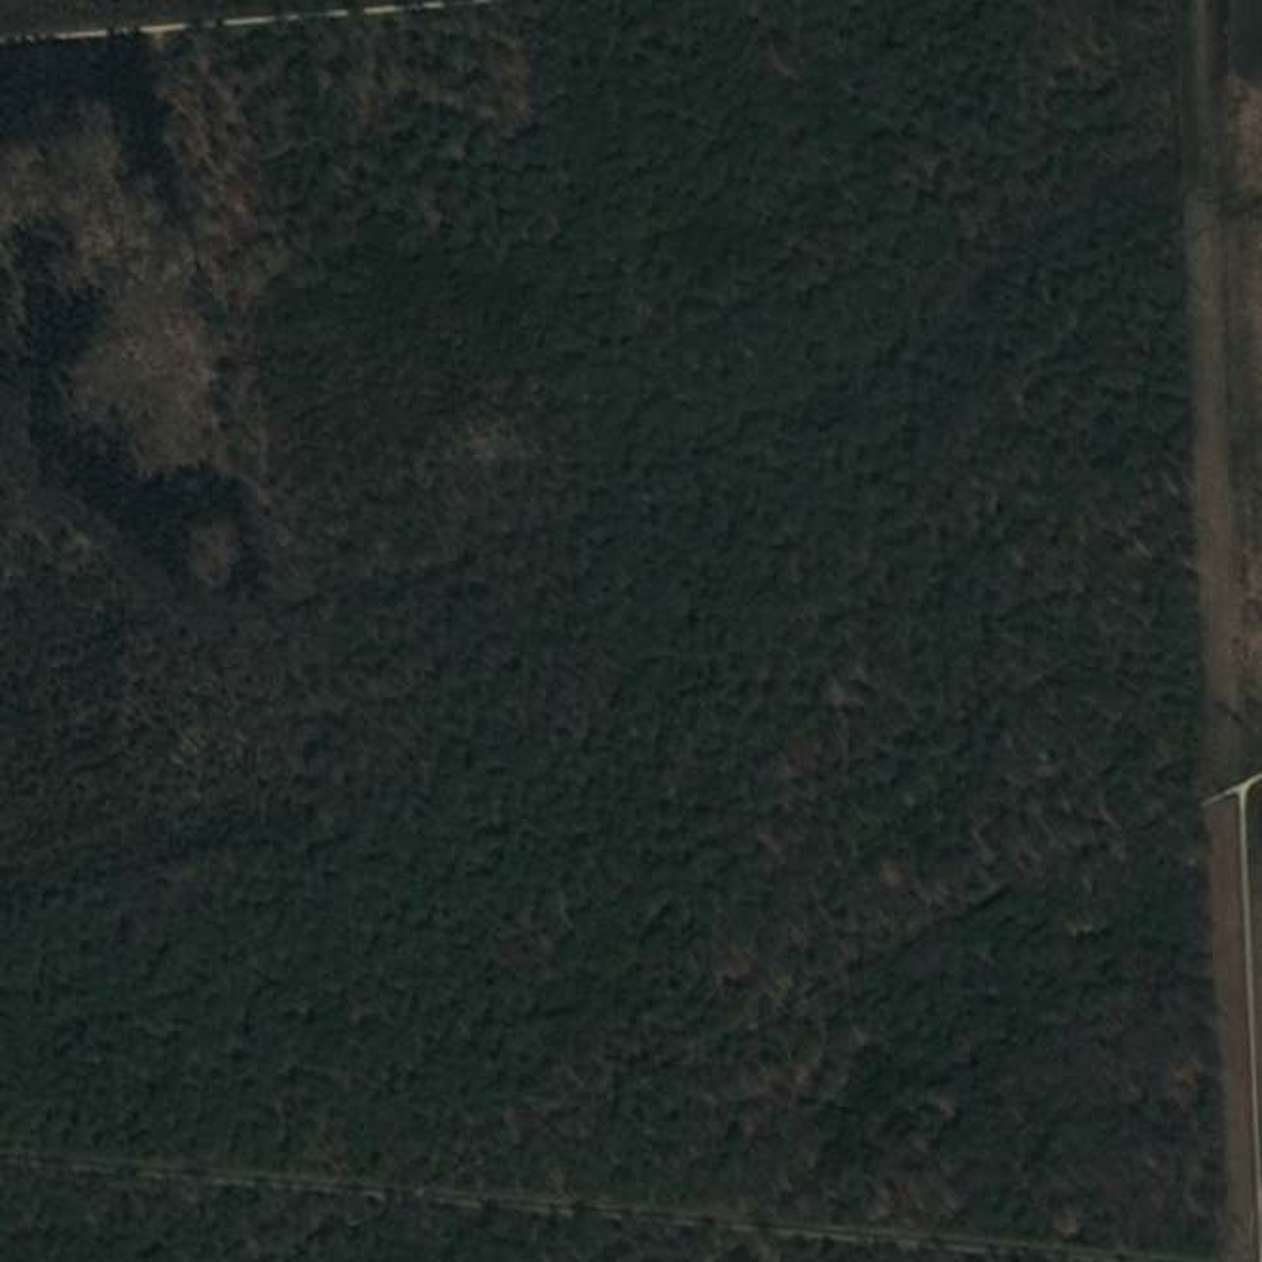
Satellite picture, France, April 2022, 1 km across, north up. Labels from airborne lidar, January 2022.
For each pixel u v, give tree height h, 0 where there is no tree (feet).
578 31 69
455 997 82
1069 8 91
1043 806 75
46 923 74
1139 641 81
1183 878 64
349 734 73
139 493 59
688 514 68
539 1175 69
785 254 79
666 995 54
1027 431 74
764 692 71
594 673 58
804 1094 74
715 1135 85
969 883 85
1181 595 78
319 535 74
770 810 71
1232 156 0
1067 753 76
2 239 0
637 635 87
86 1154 83
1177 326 74
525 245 77
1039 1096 87
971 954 74
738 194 86
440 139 75
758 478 79
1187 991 72
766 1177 83
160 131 65
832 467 79
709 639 78
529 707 78
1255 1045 0
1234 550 0
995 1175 81
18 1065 78
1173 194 58
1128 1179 78
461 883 76
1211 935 85
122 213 0
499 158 71
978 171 72
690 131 75
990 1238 81
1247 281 0
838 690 96
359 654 70
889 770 79
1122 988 77
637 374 87
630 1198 83
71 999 72
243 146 90
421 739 58
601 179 66
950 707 92
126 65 55
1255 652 0
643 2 69
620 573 86
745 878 87
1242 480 0
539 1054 82
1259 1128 0
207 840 32
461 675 95
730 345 84
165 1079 70
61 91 54
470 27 79
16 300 77
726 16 80
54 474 57
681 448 83
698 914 69
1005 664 83
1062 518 85
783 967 86
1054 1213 69
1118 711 72
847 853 73
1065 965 97
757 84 79
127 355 0
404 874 73
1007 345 78
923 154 78
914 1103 84
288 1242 70
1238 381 0
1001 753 82
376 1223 63
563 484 83
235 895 82
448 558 67
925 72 69
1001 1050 85
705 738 73
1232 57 0
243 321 50
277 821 32
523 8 70
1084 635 20
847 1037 81
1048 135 85
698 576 83
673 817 72
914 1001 77
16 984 82
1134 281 85
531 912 83
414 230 77
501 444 73
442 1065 80
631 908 73
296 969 88
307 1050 76
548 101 75
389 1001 77
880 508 80
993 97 84
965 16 55
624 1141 81
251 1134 80
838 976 68
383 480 75
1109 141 77
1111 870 85
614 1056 64
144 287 0
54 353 73
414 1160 71
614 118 70
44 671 33
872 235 80
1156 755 80
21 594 26
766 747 78
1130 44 89
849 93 86
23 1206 75
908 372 70
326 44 35
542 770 67
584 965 74
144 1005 88
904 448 79
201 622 38
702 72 87
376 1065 83
